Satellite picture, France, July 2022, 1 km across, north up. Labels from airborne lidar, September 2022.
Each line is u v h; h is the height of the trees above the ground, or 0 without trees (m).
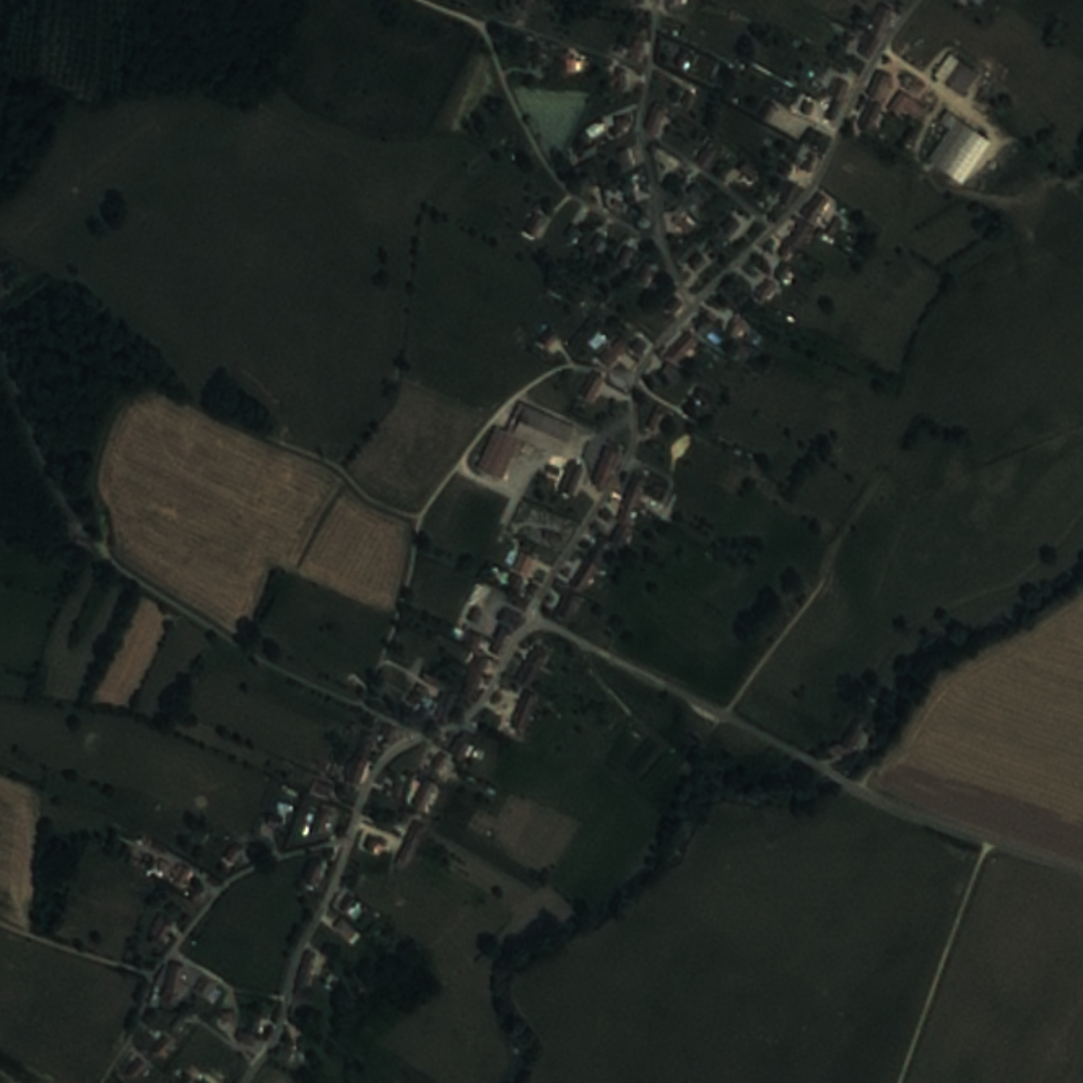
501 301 0
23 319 18
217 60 24
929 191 0
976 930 0
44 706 0
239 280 0
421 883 0
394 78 0
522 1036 20
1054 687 0
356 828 0
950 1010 0
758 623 22
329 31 0
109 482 0
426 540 16
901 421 0
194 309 0
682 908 0
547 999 0
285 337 0
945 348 0
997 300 0
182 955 0
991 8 0
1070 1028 0
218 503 0
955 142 0
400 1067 0
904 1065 0
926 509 0
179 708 22
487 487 0
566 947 13
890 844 0
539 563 0
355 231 0
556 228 0
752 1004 0
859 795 0
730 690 0
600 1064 0
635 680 0
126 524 0
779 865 0
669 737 0
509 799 0
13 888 0
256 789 0
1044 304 0
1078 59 0
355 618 0
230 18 23
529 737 0
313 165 0
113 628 13
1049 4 0
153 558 0
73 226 0
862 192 0
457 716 17
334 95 0
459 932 0
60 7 28
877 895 0
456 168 0
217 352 0
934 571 0
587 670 0
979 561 0
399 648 14
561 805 0
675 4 0
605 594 0
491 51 11
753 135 0
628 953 0
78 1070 0
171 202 0
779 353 0
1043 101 0
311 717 0
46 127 10
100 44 21
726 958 0
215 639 11
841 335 0
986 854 0
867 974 0
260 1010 7
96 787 7
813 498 0
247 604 0
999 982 0
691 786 11
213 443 0
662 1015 0
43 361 25
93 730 0
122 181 0
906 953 0
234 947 0
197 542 0
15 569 0
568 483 0
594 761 0
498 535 0
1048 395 0
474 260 0
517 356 0
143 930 6
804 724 0
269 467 0
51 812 0
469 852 0
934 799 0
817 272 6
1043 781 0
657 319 0
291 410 0
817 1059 0
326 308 0
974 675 0
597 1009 0
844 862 0
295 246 0
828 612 0
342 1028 24
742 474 0
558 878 0
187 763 0
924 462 0
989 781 0
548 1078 0
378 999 9
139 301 0
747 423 0
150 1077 0
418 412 0
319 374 0
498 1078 0
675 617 0
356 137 0
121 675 0
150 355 22
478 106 0
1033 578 0
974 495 0
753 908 0
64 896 13
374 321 0
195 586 0
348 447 0
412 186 0
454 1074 0
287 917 0
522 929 0
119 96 16
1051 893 0
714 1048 0
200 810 0
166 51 19
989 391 0
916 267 0
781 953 0
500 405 0
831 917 0
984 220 16
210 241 0
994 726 0
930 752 0
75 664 0
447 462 0
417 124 0
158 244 0
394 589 0
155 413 0
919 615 0
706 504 0
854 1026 0
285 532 0
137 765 0
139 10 18
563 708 0
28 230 0
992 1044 0
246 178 0
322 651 0
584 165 8
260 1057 0
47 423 22
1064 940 0
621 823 0
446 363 0
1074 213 0
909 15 0
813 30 0
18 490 16
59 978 0
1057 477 0
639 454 0
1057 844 0
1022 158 0
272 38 23
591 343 0
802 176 0
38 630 0
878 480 0
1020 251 0
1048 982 0
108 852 15
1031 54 0
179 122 0
